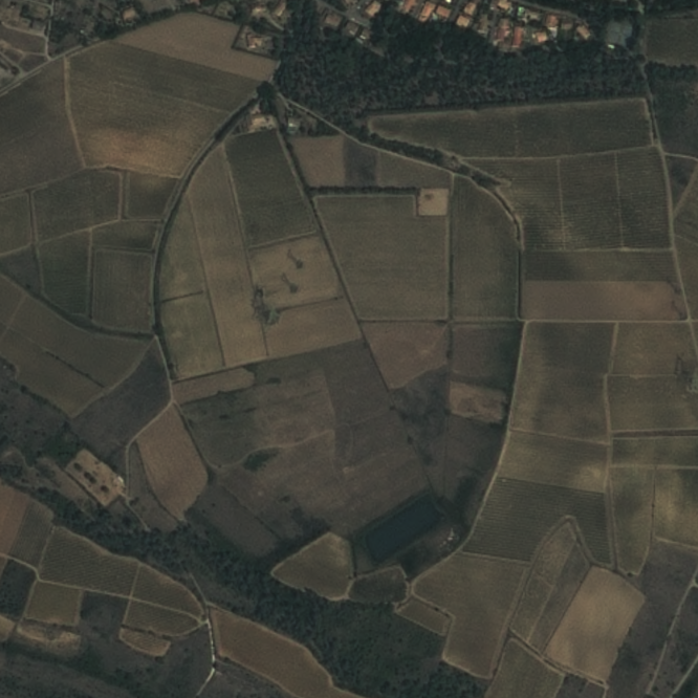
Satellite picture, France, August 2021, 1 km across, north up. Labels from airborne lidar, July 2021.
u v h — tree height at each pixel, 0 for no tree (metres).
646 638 0
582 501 0
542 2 11
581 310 0
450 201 0
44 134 0
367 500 0
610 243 0
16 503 0
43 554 0
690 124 0
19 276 0
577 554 0
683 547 0
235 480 0
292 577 0
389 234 0
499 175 0
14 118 0
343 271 0
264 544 0
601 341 0
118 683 9
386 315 0
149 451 0
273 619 17
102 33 13
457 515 0
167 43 0
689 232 0
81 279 0
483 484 0
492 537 0
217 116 0
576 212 0
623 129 0
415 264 0
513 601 0
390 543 0
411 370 0
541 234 0
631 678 0
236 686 0
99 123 0
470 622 0
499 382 0
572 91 8
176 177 0
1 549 0
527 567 0
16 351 0
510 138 0
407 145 8
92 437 0
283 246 0
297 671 0
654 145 0
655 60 0
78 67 0
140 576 0
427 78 7
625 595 0
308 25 12
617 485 0
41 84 0
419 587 0
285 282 0
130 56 0
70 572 0
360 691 5
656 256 0
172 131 0
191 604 0
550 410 0
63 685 6
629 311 0
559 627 0
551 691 0
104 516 17
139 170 0
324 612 11
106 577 0
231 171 0
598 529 0
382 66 8
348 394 0
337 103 14
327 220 0
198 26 0
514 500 0
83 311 0
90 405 0
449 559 0
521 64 19
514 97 8
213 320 0
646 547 0
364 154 0
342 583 0
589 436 0
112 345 0
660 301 0
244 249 0
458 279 0
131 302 0
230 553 14
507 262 0
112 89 0
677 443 0
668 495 0
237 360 0
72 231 0
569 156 0
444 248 0
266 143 0
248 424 0
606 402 0
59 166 0
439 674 9
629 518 0
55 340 0
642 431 0
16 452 0
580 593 0
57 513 8
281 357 0
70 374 0
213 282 0
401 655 6
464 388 0
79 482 6
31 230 0
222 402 0
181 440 0
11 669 0
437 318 0
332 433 0
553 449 0
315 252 0
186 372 0
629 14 9
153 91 0
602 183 0
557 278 0
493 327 0
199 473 0
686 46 0
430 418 0
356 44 21
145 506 0
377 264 0
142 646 0
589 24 9
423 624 0
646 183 0
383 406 0
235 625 0
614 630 0
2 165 0
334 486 0
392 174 0
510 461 0
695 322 0
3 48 0
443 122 0
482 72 10
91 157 0
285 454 0
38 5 0
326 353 0
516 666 0
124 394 0
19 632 0
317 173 0
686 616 0
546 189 0
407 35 13
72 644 0
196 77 0
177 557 17
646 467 0
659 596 0
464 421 0
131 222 0
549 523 0
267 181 0
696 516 0
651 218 0
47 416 0
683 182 0
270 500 0
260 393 0
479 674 0
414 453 0
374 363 0
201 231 0
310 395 0
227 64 0
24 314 0
